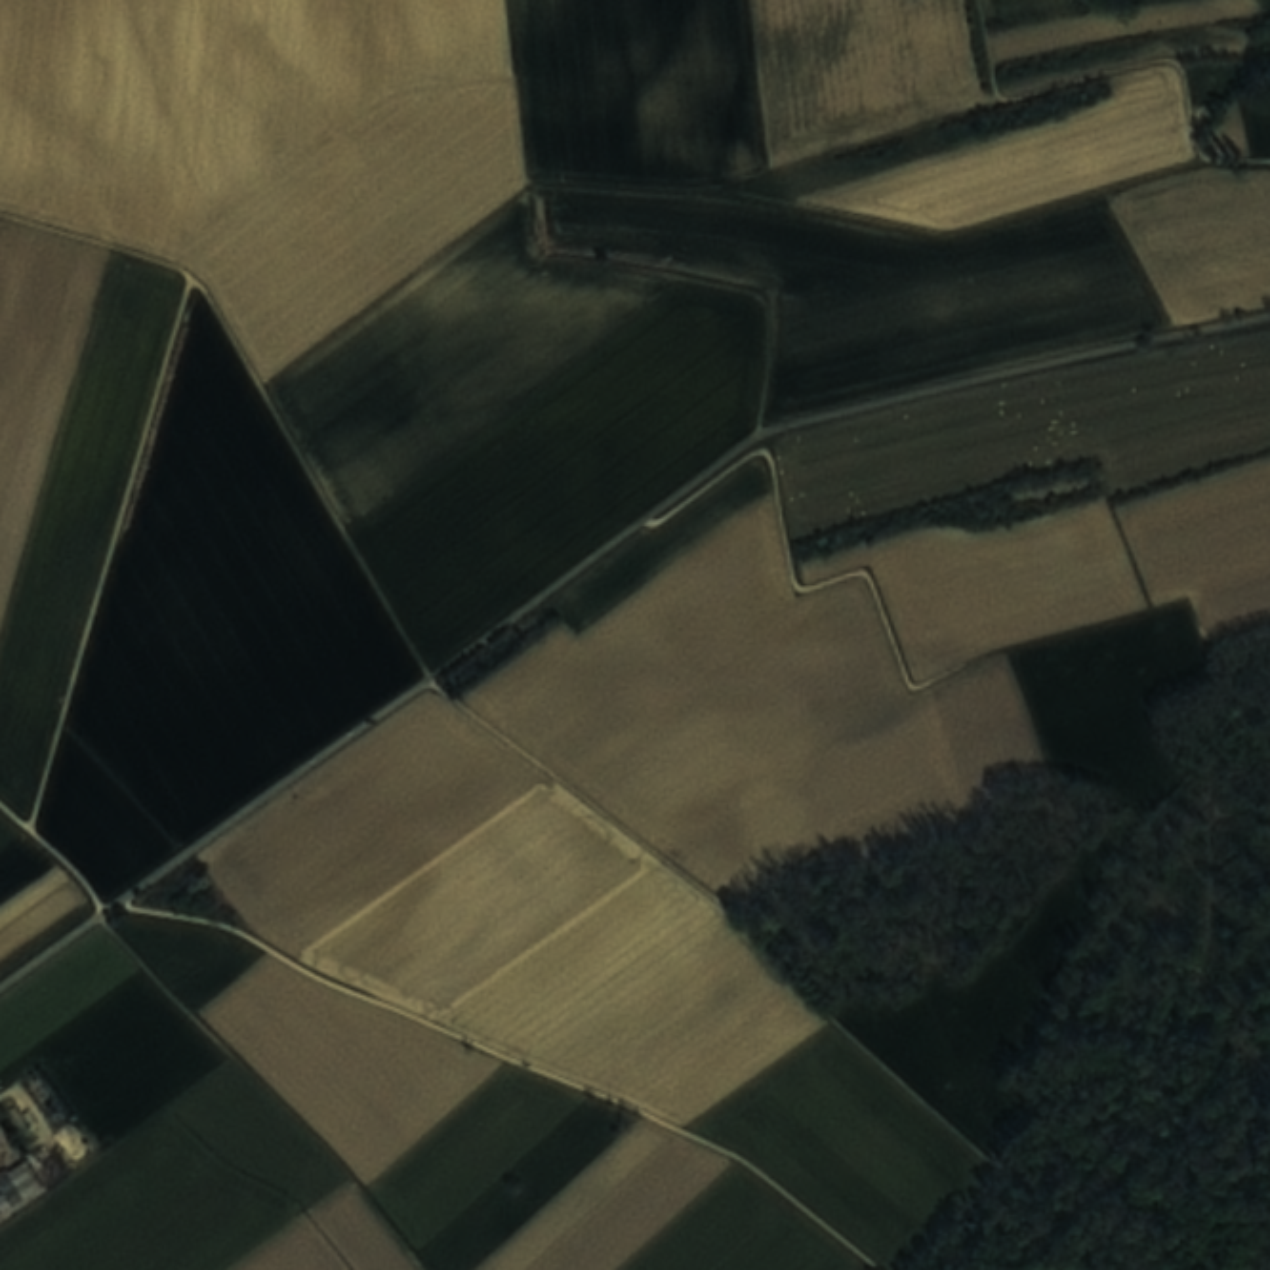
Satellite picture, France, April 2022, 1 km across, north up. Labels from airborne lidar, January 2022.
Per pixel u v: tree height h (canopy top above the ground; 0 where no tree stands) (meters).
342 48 0
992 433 0
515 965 0
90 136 0
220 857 0
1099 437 0
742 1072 0
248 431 0
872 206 0
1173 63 0
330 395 0
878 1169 0
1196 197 0
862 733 0
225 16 0
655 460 0
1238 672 20
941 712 0
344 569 0
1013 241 0
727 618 0
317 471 0
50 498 0
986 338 0
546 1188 0
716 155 0
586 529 0
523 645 10
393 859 0
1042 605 0
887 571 0
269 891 0
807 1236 0
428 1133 0
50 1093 0
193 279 0
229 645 0
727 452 0
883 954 33
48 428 0
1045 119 8
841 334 0
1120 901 32
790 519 0
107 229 0
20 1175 0
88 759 0
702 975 0
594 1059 0
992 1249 29
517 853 0
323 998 0
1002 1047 0
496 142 0
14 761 0
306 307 0
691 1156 0
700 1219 0
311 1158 0
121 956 0
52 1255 0
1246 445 0
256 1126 0
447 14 0
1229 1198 26
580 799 0
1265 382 0
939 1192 0
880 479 0
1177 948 27
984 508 13
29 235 0
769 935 24
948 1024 0
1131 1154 33
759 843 0
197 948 0
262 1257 0
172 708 0
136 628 0
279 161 0
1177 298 0
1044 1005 0
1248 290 0
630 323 0
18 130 0
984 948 26
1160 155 0
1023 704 0
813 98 0
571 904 0
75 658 0
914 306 0
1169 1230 27
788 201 0
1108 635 0
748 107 0
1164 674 0
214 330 0
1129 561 0
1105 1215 38
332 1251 0
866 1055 0
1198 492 0
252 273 0
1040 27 0
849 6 0
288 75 0
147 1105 0
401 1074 0
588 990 0
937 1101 0
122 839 0
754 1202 0
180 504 0
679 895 0
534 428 0
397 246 0
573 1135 0
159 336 0
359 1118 0
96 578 0
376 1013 0
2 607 0
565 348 0
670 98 0
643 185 0
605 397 0
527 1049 0
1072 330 0
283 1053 0
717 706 0
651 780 0
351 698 0
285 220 0
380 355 0
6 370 0
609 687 0
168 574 0
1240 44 0
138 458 0
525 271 0
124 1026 0
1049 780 17
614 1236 0
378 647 0
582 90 0
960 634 0
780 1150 0
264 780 0
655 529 0
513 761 0
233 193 0
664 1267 0
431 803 0
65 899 0
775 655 0
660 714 0
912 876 20
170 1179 0
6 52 0
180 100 0
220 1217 0
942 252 0
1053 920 0
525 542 0
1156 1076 30
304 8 0
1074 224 0
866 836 0
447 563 0
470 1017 0
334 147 0
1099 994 30
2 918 0
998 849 25
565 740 0
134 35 0
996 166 0
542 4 0
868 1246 0
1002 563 0
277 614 0
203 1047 0
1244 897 33
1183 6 0
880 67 0
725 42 0
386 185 0
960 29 0
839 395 0
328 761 0
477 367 0
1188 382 0
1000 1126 0
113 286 0
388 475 0
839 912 29
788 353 0
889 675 0
